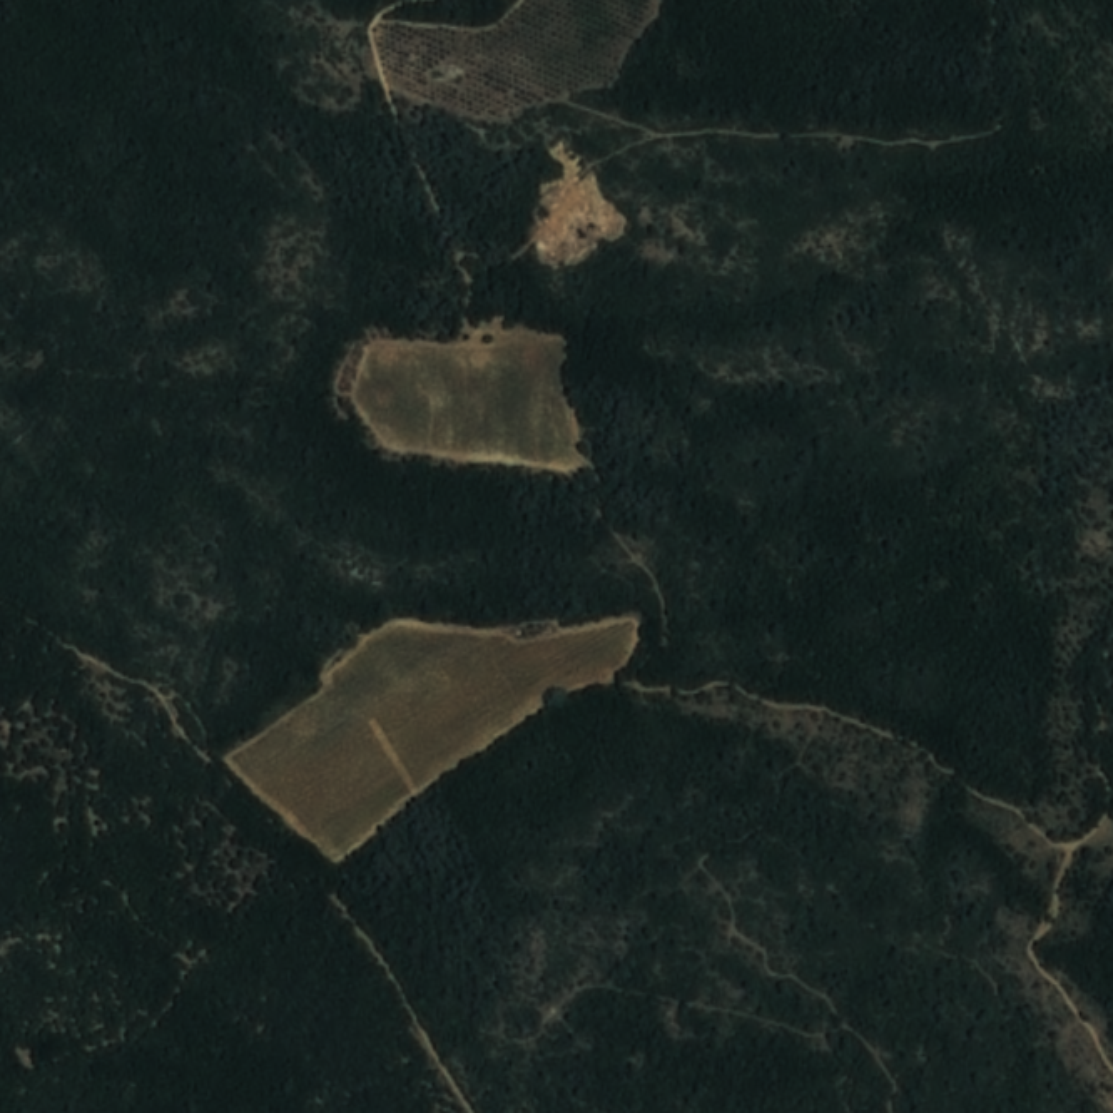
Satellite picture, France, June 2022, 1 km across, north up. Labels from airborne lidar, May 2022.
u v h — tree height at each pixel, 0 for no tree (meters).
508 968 7
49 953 8
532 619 8
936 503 8
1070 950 7
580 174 0
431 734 0
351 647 12
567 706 9
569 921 8
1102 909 6
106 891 10
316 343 7
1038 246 6
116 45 12
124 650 5
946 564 9
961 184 11
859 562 17
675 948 13
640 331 8
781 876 5
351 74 0
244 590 6
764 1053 6
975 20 14
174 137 8
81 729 11
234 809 10
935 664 7
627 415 21
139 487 7
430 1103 7
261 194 8
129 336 6
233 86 8
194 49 9
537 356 0
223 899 10
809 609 8
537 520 8
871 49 15
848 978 14
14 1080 8
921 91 14
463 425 0
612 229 0
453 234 15
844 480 7
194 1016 10
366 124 7
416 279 7
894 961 10
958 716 7
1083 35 10
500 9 10
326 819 0
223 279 6
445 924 6
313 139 8
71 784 11
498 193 16
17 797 9
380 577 0
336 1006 9
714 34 7
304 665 6
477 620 7
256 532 9
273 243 0
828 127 6
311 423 12
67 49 10
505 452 0
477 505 8
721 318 9
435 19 6
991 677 7
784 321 6
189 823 17
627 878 6
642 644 6
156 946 13
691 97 7
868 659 6
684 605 10
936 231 7
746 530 6
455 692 0
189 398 6
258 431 6
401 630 0
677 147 0
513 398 0
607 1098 6
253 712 5
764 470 13
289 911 12
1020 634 8
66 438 6
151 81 5
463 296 9
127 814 7
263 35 6
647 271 10
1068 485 16
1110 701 6
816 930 13
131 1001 10
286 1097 12
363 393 0
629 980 7
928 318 11
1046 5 11
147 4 8
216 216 7
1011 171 11
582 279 11
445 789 9
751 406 7
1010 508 7
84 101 9
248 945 12
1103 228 6
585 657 0
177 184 8
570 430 0
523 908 6
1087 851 11
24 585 7
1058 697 9
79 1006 8
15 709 11
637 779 7
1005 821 0
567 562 12
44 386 7
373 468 11
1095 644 9
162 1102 13
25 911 10
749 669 7
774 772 12
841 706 6
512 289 10
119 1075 11
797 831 6
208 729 6
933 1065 7
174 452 6
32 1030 7
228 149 13
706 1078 6
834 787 0
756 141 0
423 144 16
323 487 12
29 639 8
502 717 0
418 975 6
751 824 7
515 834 6
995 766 7
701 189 13
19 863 9
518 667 0
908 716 7
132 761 8
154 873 12
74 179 6
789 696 8
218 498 5
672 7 7
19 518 9
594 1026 5
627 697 7
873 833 8
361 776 0
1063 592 6
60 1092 7
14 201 12
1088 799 10
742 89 6
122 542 6
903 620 8
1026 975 0
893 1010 11
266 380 6
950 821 9
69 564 6
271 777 0
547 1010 0
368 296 14
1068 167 13
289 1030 9
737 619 9
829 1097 6
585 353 12
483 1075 5
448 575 8
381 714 0
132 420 10
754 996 10
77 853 12
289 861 12
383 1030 7
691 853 6
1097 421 15
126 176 7
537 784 6
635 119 6
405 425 0
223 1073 11
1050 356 0
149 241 7
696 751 7
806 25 9
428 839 18
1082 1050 0
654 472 13
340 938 10
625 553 0
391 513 7
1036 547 18
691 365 6
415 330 9
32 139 7
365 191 13
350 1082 7
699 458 6
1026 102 9
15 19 9
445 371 0
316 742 0
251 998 7
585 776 8
